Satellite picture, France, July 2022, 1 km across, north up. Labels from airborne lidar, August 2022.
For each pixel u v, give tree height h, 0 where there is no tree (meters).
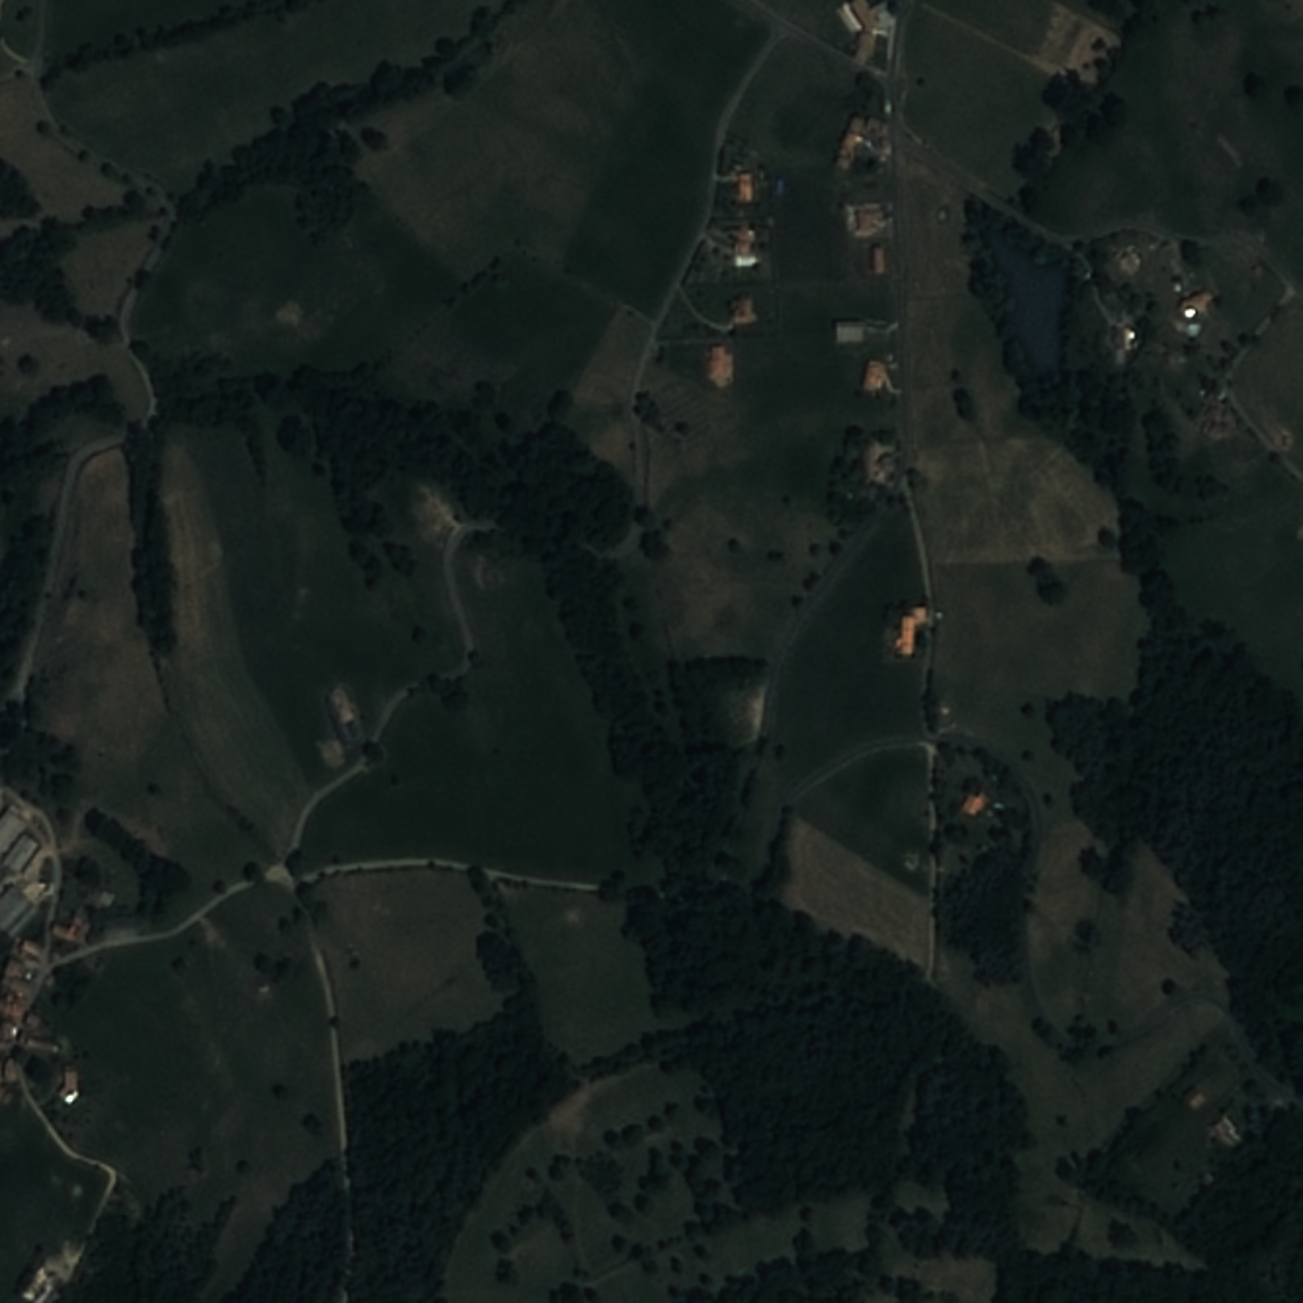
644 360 0
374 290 0
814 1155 18
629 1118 0
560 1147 0
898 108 0
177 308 0
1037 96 0
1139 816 17
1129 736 19
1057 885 0
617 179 0
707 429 0
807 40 0
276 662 0
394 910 0
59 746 17
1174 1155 0
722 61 0
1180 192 0
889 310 0
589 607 13
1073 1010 0
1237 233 0
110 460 0
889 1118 21
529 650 0
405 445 9
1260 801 21
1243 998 21
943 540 0
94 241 0
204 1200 0
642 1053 8
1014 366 15
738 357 0
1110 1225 0
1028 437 0
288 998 0
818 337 0
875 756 0
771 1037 18
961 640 0
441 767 0
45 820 0
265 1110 0
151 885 18
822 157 0
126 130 0
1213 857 13
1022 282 0
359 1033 0
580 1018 0
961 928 9
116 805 0
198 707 0
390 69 19
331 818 0
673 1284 0
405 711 0
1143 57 0
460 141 0
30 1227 0
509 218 0
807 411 0
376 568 16
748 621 0
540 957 0
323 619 0
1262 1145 19
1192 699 9
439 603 0
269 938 0
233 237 0
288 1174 0
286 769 0
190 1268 9
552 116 0
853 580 0
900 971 11
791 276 0
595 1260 0
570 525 17
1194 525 6
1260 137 0
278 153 18
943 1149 23
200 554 0
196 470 0
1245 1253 17
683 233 0
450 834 0
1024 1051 0
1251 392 0
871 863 0
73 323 11
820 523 0
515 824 0
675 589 0
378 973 0
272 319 0
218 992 0
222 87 0
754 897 7
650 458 0
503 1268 9
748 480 0
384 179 0
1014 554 0
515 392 0
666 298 0
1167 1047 0
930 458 0
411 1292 13
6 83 0
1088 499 0
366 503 14
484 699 0
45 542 6
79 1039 0
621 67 0
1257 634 0
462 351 0
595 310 0
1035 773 0
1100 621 0
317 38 0
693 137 0
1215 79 0
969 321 0
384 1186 12
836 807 0
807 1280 12
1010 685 0
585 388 0
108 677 0
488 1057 10
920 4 0
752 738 0
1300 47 0
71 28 0
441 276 0
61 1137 6
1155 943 0
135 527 6
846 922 0
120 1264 16
